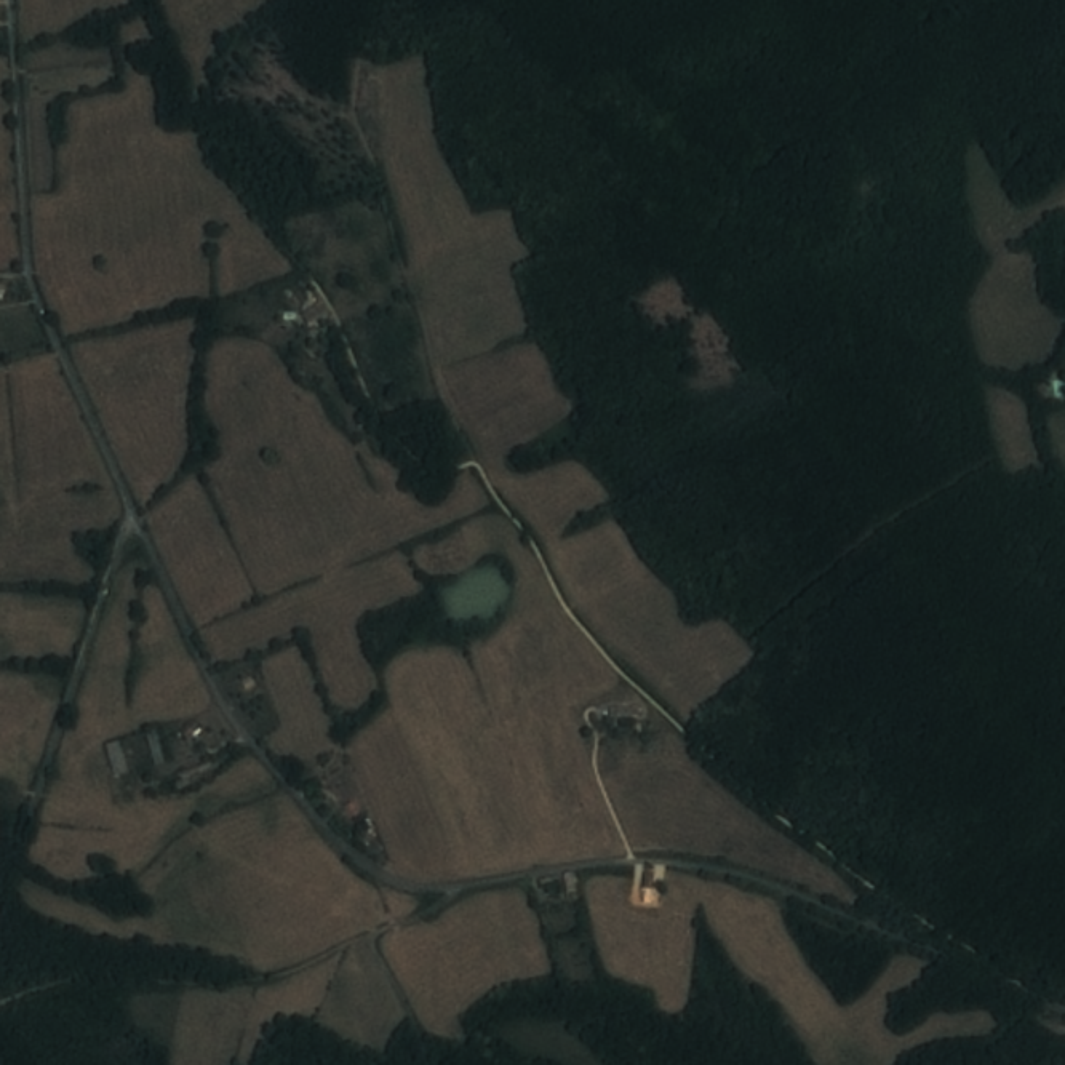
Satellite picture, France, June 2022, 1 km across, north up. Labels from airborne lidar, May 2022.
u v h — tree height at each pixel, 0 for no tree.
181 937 0
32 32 0
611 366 14
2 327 0
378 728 0
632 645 0
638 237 9
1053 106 23
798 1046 13
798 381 18
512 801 0
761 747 20
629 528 12
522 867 0
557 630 0
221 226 6
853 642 22
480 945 0
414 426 17
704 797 0
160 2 17
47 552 0
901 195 11
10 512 0
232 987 10
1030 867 6
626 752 0
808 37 12
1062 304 16
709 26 11
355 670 0
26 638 0
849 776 20
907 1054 10
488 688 0
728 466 10
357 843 7
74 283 0
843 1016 0
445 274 0
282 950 0
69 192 0
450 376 0
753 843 0
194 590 0
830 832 17
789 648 15
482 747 0
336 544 0
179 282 0
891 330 11
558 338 13
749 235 16
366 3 18
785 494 10
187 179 0
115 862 9
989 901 7
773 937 0
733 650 0
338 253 0
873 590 17
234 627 0
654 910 0
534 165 15
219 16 0
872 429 10
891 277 18
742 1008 7
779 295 13
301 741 0
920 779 14
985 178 0
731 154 16
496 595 0
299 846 0
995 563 12
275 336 0
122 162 0
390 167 0
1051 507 11
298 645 8
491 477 0
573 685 0
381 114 0
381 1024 0
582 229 12
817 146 21
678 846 0
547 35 10
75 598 9
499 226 0
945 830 6
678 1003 0
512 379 0
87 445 0
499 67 16
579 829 0
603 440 6
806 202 22
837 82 14
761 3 10
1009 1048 10
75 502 0
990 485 11
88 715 0
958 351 14
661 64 7
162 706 0
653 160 15
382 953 0
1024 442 0
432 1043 11
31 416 0
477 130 14
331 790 0
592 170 13
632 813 0
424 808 0
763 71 16
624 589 0
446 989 0
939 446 9
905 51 21
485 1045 13
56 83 0
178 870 0
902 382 11
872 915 16
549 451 6
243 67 17
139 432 0
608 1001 10
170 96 14
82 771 0
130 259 0
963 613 9
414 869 0
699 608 15
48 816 0
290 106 21
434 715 0
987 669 10
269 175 16
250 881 0
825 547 9
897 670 21
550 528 0
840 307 12
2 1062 16
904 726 21
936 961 12
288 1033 12
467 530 0
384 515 0
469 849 0
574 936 10
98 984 18
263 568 0
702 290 15
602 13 9
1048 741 11
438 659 0
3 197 0
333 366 12
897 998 12
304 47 17
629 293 13
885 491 9
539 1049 0
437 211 0
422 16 15
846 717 21
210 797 0
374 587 0
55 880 15
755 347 15
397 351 0
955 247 14
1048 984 14
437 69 16
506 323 0
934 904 10
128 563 0
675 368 12
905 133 13
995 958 13
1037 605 10
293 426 0
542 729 0
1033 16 16
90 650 0
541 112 14
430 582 6
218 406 0
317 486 0
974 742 10
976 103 15
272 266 0
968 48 13
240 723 0
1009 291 0
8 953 9
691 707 0
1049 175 19
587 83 13
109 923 0
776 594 13
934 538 9
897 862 15
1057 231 10
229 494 0
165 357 0
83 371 0
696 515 16
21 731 0
